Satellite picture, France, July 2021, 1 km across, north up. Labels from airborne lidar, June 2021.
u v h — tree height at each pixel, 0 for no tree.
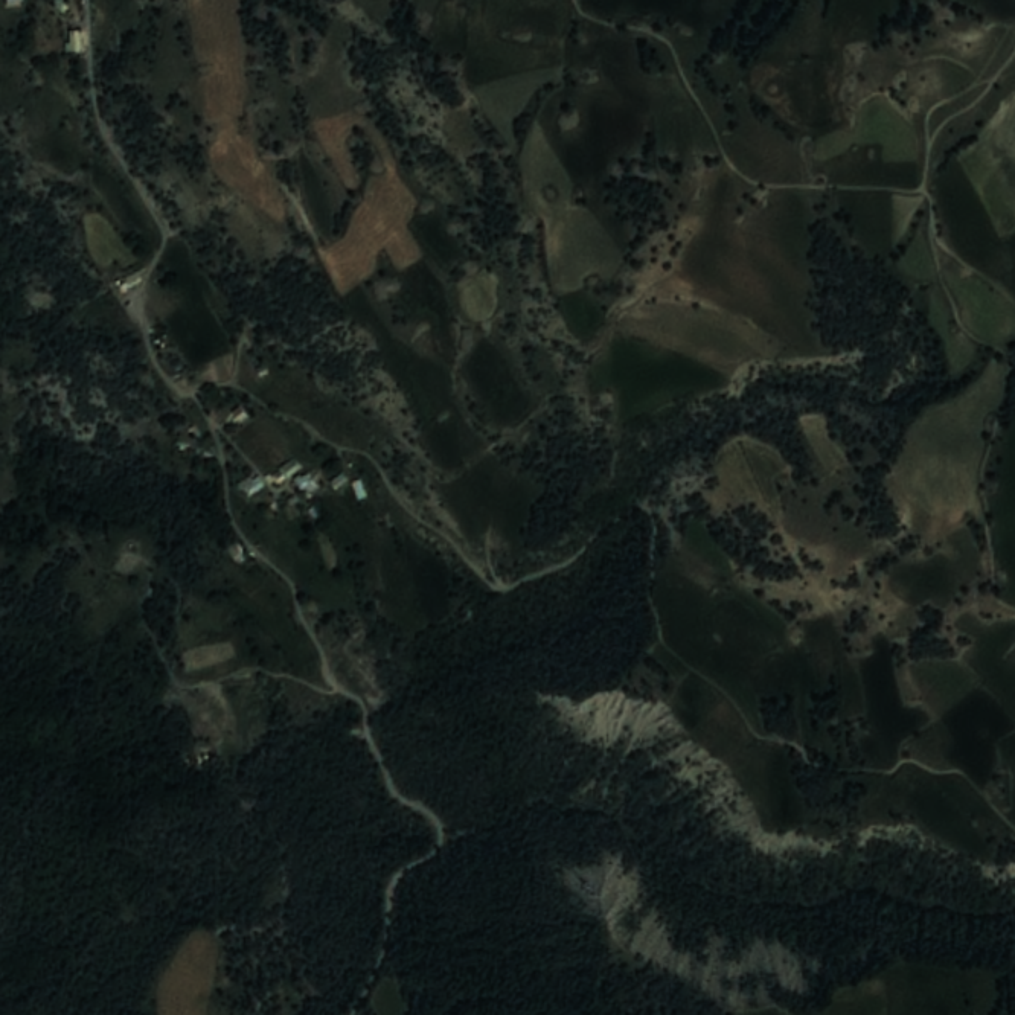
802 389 10
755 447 0
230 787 13
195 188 0
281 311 6
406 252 0
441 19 0
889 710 0
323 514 9
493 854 14
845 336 9
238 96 0
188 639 0
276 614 0
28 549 10
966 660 0
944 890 13
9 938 9
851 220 15
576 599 11
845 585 6
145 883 10
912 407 20
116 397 7
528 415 0
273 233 0
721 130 0
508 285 0
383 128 7
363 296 0
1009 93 0
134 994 8
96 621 0
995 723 0
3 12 0
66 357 9
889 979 0
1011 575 0
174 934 14
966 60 0
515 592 6
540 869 10
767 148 0
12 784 11
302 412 0
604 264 0
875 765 0
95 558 0
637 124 0
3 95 0
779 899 13
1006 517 0
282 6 11
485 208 12
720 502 0
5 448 6
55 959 11
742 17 22
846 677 0
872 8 0
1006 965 14
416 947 16
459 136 0
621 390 0
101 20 0
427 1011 22
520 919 11
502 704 10
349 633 13
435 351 0
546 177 0
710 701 0
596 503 8
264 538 0
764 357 0
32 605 11
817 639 0
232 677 0
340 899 11
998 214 0
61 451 13
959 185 0
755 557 8
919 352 6
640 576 16
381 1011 0
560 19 0
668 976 9
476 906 12
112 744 10
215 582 0
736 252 0
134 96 8
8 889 8
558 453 6
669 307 0
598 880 0
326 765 7
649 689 10
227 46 0
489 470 0
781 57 0
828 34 0
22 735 6
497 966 10
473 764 11
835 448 0
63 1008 12
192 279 0
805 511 0
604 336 0
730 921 8
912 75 0
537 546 8
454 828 9
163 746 16
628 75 0
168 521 13
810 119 0
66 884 6
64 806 10
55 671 9
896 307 8
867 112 0
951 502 0
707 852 7
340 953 14
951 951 17
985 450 0
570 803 6
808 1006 10
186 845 10
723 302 0
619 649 9
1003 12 0
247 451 0
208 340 0
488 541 0
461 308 0
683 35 0
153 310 0
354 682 0
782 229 0
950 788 0
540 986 14
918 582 0
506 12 0
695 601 0
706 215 0
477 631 8
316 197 0
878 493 7
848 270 10
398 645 10
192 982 0
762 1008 0
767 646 0
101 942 7
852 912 12
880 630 0
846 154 0
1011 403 9
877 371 12
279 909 10
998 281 0
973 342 0
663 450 6
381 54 6
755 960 0
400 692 11
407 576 0
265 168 0
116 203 0
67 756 11
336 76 0
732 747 0
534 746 10
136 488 10
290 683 0
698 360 0
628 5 0
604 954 7
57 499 14
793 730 13
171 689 0
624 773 10
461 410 0
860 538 0
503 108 0
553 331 0
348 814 7
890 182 0
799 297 0
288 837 14
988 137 0
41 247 8
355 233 0
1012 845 7
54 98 0
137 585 7
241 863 6
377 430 0
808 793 14
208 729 0
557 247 0
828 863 6
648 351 0
